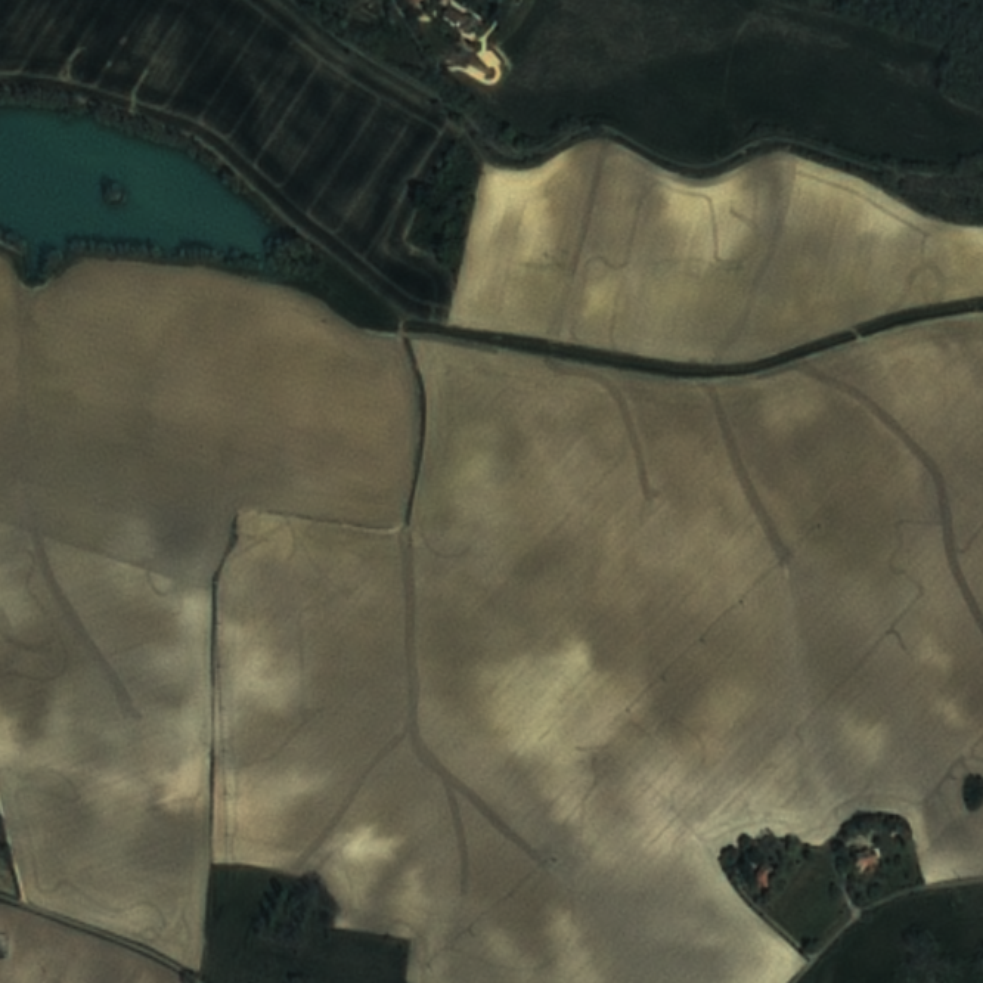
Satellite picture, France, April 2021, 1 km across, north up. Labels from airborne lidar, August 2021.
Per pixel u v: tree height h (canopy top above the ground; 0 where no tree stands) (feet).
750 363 0
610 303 0
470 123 42
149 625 0
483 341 0
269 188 0
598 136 69
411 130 0
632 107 0
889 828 22
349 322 0
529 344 0
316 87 0
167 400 0
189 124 0
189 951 0
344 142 0
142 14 0
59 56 0
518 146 63
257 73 0
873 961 0
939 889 0
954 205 60
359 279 0
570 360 0
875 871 33
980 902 0
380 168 0
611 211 0
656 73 0
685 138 0
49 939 0
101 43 0
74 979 0
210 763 0
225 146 0
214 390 0
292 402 0
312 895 71
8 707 0
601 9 0
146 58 0
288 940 48
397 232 0
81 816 0
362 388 0
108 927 0
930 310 0
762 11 0
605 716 0
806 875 0
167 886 0
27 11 0
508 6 50
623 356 0
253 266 51
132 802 0
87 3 0
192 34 0
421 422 0
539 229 0
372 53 59
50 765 0
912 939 47
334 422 0
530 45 0
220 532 0
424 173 0
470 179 19
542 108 0
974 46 62
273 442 0
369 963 0
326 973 0
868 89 0
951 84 42
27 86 0
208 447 0
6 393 0
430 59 45
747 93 0
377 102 0
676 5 0
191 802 0
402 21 26
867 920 37
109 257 44
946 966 55
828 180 0
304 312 0
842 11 38
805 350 0
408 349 0
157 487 0
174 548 0
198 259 64
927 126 0
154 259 61
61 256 59
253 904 0
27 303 0
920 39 51
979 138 0
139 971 0
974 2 67
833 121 0
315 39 0
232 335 0
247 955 0
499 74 0
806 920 0
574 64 0
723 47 0
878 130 0
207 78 0
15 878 0
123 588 0
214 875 0
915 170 60
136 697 0
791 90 0
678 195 0
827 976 0
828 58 0
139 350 0
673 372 0
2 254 0
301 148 0
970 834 0
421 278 0
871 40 0
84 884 0
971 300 0
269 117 0
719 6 0
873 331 0
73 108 77
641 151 0
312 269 67
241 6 0
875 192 0
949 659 0
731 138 0
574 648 0
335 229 0
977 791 0
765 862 23
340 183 0
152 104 0
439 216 84
